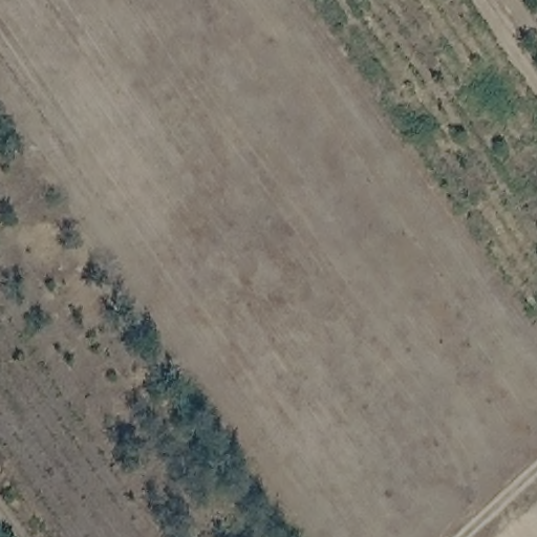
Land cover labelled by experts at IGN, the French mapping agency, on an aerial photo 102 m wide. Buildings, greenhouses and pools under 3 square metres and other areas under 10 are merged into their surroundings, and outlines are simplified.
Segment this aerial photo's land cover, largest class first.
<instances>
[{"label":"agricultural land","instance_id":"1","mask_svg":"<svg viewBox=\"0 0 537 537\"><path fill-rule=\"evenodd\" d=\"M382 88L369 84L359 73L357 65L348 59L346 48L336 40V34L323 21L321 13L315 10L310 0H0V103L4 111L13 117L15 130L23 141V149L15 151L10 166L0 164V275L4 269L19 266L23 277V300L19 304L6 298L0 289V537H162L159 522L147 508V478L155 482L157 495H164V487H172L174 493L182 497L185 508L193 518L189 529L191 537H254V531L245 527L243 512H239L237 506L222 491L210 495L208 506L201 508L182 480L176 482L168 478V466L162 457L136 466L134 470H124L122 464L111 466L115 443L126 445V434L134 432V426L126 424L130 415L128 407L138 403V396L147 390L143 384L147 378V367L153 363H164L166 352L172 355V365L178 367L180 375L191 378L199 386L206 401L218 409L222 428H233L237 432V443L245 455L248 470L260 478L269 501L279 506L285 522L296 527L300 531V537H453L472 516H476L489 501H493L529 464L537 459V325H533L531 319L524 315L522 304L516 298L518 289L514 287V283H501L499 273L487 264L485 248H480L470 237L466 229V216L453 214V208L447 201L443 189L432 178L430 170L424 168L417 149L411 143H407L405 136H401V128L392 126L390 115L382 113ZM86 262H94L99 269L107 273L101 285L82 279ZM122 287L132 298V308L143 315V321L138 325H128L122 338L115 331L94 334L92 325L101 323L103 310H113ZM36 304H40L42 310L50 315V323H46L36 336L25 334L19 338L17 334L25 325L23 315ZM153 329H157L159 334V348L155 355H149L143 361L126 346ZM474 537H537V482L531 485L510 506H506V510L499 516H495Z\"/></svg>","mask_w":537,"mask_h":537},{"label":"vineyard","instance_id":"2","mask_svg":"<svg viewBox=\"0 0 537 537\"><path fill-rule=\"evenodd\" d=\"M315 10L321 13L323 21L336 34V40L346 48L348 59L357 65L359 73L369 84L382 88V113L390 115L392 126L401 128V136H405L407 143H411L417 149L424 168L430 170L432 178L443 189L447 201L453 208V214L466 216V229L470 237L480 248H485L487 264L499 273L501 283H514V287L518 289L516 298L522 304L524 315L531 319L533 325H537V94L524 80V76L510 61L506 48L499 44L495 31L476 8L474 0H310Z\"/></svg>","mask_w":537,"mask_h":537},{"label":"deciduous trees","instance_id":"3","mask_svg":"<svg viewBox=\"0 0 537 537\"><path fill-rule=\"evenodd\" d=\"M520 48H524L531 55L537 67V36L529 29V38L520 42ZM23 149V141L15 130L13 117L4 111L0 103V164L10 166L15 151ZM107 273L99 269L94 262H86L82 279L101 285ZM0 289L6 298L19 304L23 300V277L19 266L4 269L0 275ZM132 298L122 287L113 310H103L101 323L92 325L94 334L115 331L122 338L128 325H138L143 321V315L132 308ZM25 325L17 334L19 338L25 334L36 336L46 323H50V315L42 310L40 304H36L23 315ZM143 361L149 355H155L159 348V334L157 329H153L126 346ZM143 384L147 390L138 396V403L128 407L130 415L126 424L134 426V432L126 434V445L115 443L111 466L122 464L124 470H134L136 466L162 457L168 466V478L176 482L182 480L201 508L208 506L210 495L222 491L237 506L239 512H243L245 527L254 531V537H300V531L296 527L285 522L279 506L269 501L260 478L248 470L245 455L237 443V432L233 428H222L218 409L206 401L199 386L191 378L180 375L178 367L172 365V355L166 352L164 363H153L147 367V378ZM147 508L159 522L162 537H191L189 529L193 518L185 508L182 497L174 493L172 487H164V495H157L155 482L147 478Z\"/></svg>","mask_w":537,"mask_h":537},{"label":"herbaceous vegetation","instance_id":"4","mask_svg":"<svg viewBox=\"0 0 537 537\"><path fill-rule=\"evenodd\" d=\"M476 8L495 31L499 44L506 48L510 61L524 76V80L537 94V67L531 55L524 48H520V42L529 38V29L537 36V0H474Z\"/></svg>","mask_w":537,"mask_h":537},{"label":"pervious surface","instance_id":"5","mask_svg":"<svg viewBox=\"0 0 537 537\"><path fill-rule=\"evenodd\" d=\"M537 482V459L529 464L493 501H489L476 516H472L453 537H474L495 516H499L506 510V506H510L531 485Z\"/></svg>","mask_w":537,"mask_h":537}]
</instances>
